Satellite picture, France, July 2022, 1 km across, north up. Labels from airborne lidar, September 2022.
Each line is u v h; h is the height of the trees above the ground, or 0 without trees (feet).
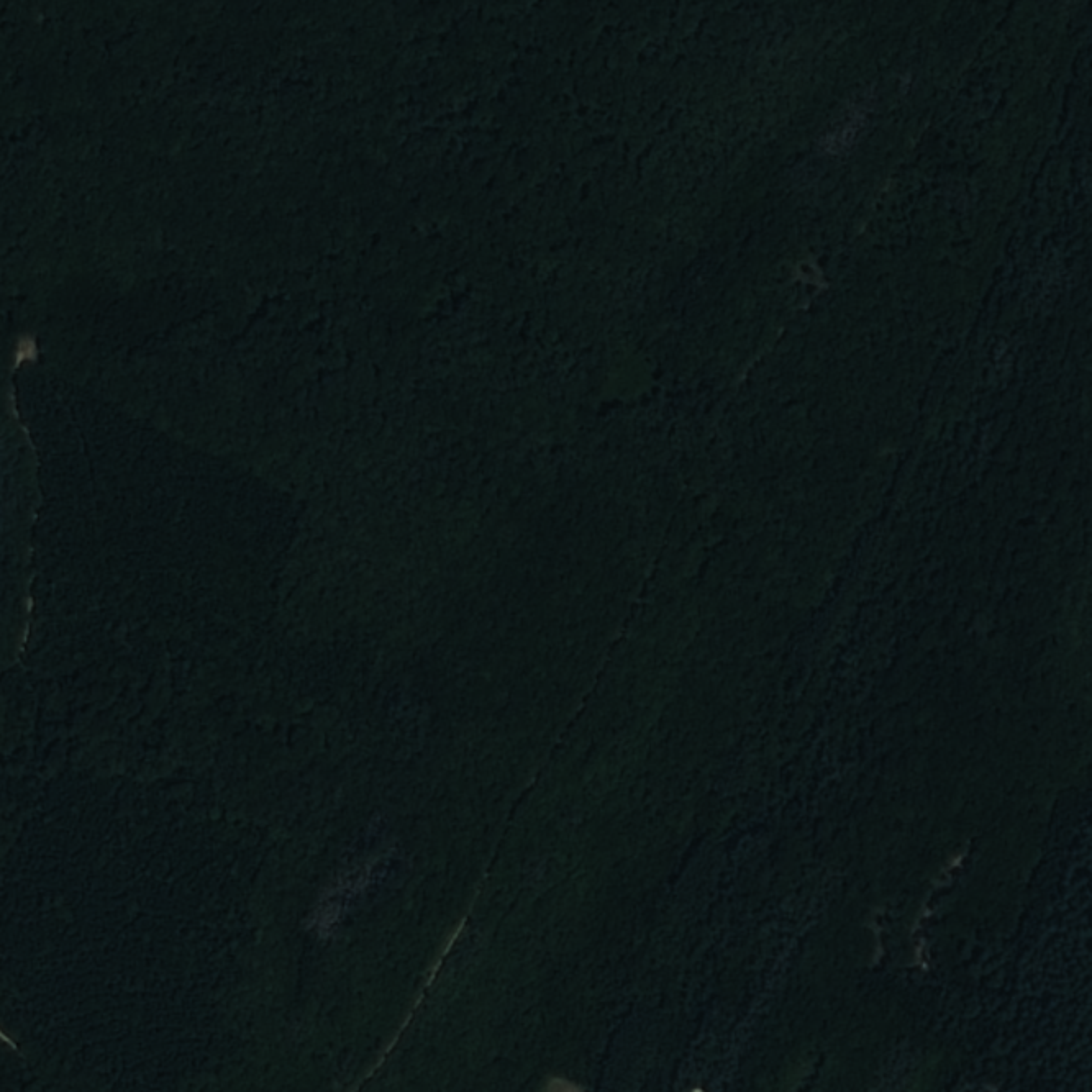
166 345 85
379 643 45
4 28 50
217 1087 42
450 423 71
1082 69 64
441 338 71
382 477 52
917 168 54
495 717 49
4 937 41
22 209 56
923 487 35
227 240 53
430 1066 50
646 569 48
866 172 52
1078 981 118
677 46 45
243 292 66
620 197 60
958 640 79
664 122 52
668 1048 52
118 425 39
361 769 61
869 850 76
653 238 51
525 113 72
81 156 52
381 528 50
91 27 70
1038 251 70
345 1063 50
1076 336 75
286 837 43
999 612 73
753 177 71
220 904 36
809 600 50
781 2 60
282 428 68
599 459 74
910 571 51
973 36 55
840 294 55
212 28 58
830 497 63
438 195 70
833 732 59
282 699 62
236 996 31
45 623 34
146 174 59
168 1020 40
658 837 68
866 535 57
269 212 58
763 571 58
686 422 76
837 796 59
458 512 55
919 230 63
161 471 47
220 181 46
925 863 66
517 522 54
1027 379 51
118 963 46
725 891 78
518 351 79
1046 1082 73
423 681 79
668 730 58
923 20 71
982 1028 93
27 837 46
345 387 89
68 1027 42
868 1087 53
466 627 65
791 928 59
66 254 53
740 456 55
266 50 61
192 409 65
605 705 61
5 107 60
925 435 61
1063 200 39
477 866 51
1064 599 68
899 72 75
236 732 68
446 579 56
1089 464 79
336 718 65
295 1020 53
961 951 90
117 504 30
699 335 61
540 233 63
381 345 74
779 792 22
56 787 35
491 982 35
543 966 46
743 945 72
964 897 79
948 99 68
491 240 68
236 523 44
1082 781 48
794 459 59
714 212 70
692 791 78
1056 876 70
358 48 60
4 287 59
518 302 67
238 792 62
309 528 43
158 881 32
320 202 62
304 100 67
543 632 38
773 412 67
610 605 62
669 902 49
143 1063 35
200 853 35
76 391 53
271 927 48
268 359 64
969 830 66
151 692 66
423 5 62
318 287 77
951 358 59
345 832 67
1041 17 58
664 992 46
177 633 26
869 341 55
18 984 34
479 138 72
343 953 37
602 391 87
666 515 67
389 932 44
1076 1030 117
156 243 54
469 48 67
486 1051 39
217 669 54
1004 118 61
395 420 61
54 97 60
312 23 50
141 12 56
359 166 65
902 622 40
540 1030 54
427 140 58
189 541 30
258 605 32
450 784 43
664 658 51
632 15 61
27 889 39
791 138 67
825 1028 53
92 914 45
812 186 80
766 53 50
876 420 57
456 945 28
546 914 48
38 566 41
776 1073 50
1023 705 70
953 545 66
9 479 52
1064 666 58
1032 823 58
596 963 56
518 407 67
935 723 72
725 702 73
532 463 54
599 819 32
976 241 81
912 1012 61
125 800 31
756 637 63
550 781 45
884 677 52
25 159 73
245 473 49
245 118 53
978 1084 74
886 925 74
